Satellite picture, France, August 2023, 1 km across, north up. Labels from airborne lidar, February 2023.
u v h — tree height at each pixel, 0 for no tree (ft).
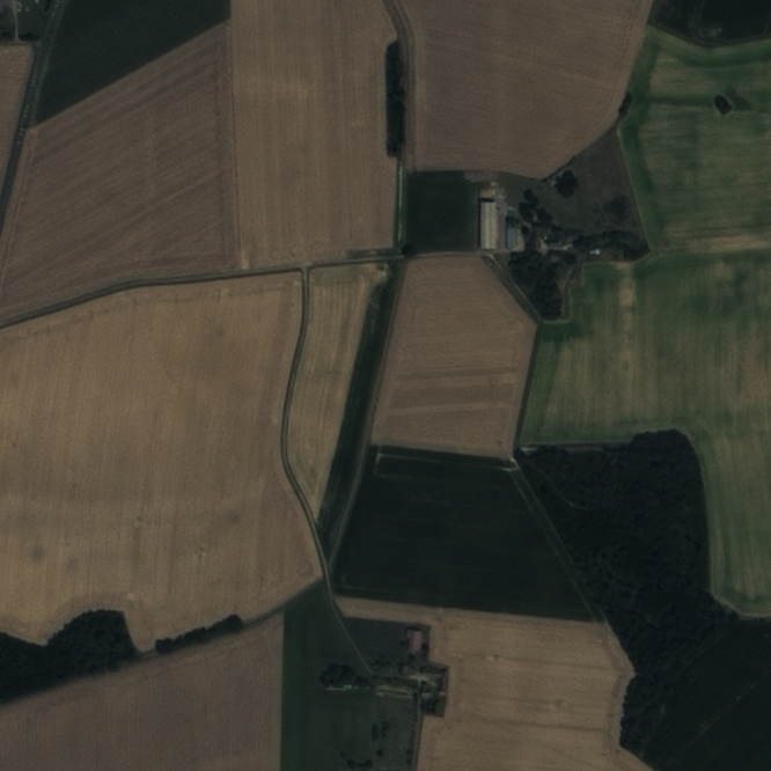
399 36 0
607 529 43
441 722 0
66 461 0
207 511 0
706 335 0
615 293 0
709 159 0
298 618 0
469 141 0
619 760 0
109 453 0
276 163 0
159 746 0
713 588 0
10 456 0
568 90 0
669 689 36
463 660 0
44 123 0
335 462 0
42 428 0
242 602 0
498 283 0
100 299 0
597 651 0
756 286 0
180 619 0
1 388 0
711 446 0
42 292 0
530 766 0
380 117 0
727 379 0
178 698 0
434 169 0
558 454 58
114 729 0
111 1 0
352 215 0
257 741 0
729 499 0
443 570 0
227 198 0
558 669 0
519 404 0
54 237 0
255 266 0
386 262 0
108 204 0
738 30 0
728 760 0
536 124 0
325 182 0
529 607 0
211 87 0
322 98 0
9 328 0
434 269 0
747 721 0
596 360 0
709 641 44
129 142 0
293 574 0
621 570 33
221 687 0
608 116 0
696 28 0
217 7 0
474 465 0
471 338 0
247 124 0
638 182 0
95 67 0
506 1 0
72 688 0
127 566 0
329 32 0
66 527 0
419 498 0
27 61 0
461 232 0
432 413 0
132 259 0
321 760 0
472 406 0
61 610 0
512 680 0
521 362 0
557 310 23
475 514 0
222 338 0
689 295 0
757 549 0
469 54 0
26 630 0
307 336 0
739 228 0
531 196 38
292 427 0
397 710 0
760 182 0
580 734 0
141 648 0
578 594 0
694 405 0
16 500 0
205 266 0
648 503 70
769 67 0
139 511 0
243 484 0
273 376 0
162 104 0
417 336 0
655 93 0
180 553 0
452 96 0
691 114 0
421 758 0
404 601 0
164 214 0
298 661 0
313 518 0
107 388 0
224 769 0
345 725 0
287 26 0
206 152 0
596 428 0
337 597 0
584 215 0
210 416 0
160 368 0
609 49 0
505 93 0
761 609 0
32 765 0
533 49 0
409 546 0
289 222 0
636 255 17
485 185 0
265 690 0
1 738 0
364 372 0
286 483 0
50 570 0
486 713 0
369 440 0
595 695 0
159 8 0
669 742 0
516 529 0
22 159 0
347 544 0
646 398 0
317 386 0
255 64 0
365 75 0
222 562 0
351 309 0
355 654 0
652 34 0
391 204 0
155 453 0
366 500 0
